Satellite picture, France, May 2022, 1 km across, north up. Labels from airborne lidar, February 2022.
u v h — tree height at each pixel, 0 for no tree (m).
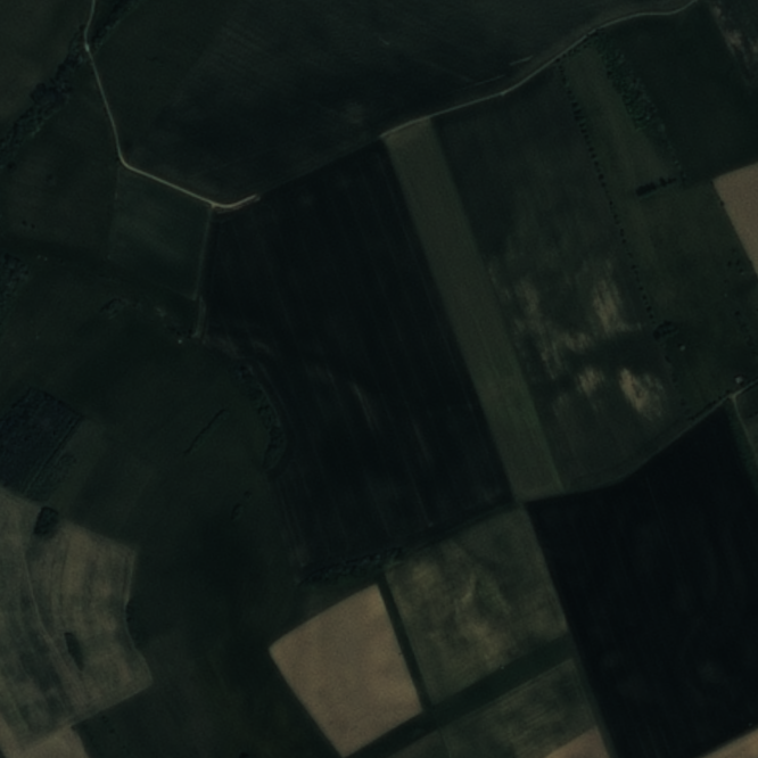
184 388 0
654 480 0
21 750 0
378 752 0
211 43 0
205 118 0
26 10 0
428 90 0
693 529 0
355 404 0
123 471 0
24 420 19
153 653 0
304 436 0
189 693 0
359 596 0
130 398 0
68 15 0
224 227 0
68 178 0
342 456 0
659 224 0
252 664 0
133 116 0
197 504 0
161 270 0
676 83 0
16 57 0
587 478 0
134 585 0
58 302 0
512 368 0
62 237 0
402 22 0
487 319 0
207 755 0
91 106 0
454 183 0
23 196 0
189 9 0
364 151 0
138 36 0
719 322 0
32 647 0
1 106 0
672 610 0
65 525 0
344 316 0
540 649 0
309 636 0
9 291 6
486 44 0
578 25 0
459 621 0
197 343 0
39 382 0
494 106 0
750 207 0
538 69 0
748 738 0
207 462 0
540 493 0
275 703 0
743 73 0
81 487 0
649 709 0
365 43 0
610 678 0
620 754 0
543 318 0
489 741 0
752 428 0
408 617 0
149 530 0
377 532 0
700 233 0
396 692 0
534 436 0
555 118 0
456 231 0
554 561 0
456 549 0
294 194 0
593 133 0
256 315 0
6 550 0
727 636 0
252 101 0
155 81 0
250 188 0
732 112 0
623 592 0
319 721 0
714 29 0
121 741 0
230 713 0
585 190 0
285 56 0
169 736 0
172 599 0
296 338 0
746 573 0
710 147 0
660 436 0
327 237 0
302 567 0
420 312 0
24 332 0
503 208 0
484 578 0
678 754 0
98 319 0
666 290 0
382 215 0
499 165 0
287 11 0
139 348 0
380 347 0
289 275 0
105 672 0
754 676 0
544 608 0
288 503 0
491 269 0
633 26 0
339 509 0
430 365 0
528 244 0
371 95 0
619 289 0
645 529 0
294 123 0
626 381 0
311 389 0
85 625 0
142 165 0
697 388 0
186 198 0
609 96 0
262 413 9
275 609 0
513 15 0
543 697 0
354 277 0
